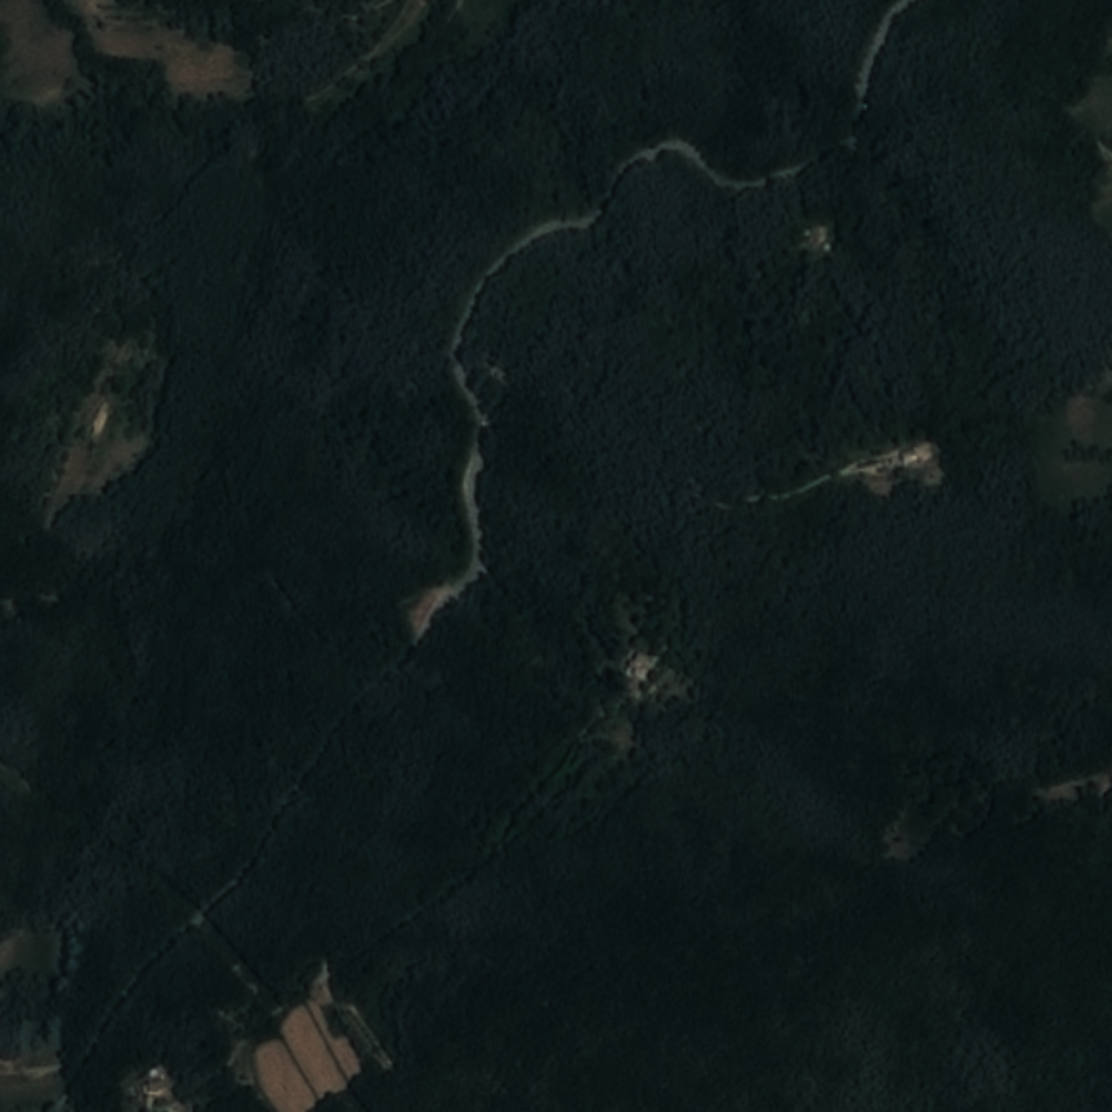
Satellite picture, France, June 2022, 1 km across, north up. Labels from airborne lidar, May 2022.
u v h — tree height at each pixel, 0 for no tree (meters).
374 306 26
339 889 16
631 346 22
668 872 15
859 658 21
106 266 16
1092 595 16
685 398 17
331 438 23
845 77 23
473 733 12
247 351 22
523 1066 11
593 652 19
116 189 19
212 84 0
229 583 17
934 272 26
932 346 18
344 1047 0
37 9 0
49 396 12
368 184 22
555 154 21
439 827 15
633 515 23
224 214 27
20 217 15
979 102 21
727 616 17
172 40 0
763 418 19
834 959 15
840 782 22
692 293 14
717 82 20
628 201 18
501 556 20
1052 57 17
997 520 17
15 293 11
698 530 21
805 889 12
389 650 25
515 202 20
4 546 10
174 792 24
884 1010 16
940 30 17
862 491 14
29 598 22
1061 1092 18
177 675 14
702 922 16
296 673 21
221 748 21
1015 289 22
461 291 18
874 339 30
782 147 24
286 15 21
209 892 17
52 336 19
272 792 20
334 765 14
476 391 25
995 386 19
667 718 16
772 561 21
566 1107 15
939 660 21
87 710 22
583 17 19
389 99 8
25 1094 0
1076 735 19
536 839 14
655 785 16
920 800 19
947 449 9
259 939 17
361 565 16
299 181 21
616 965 15
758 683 23
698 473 20
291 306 23
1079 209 14
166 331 15
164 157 15
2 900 15
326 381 25
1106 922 18
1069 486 0
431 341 18
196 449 23
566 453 22
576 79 19
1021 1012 17
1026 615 19
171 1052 17
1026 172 16
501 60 21
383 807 19
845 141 17
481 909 15
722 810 15
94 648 19
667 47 14
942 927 17
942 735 20
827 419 17
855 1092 17
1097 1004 19
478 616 16
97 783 23
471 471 0
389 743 16
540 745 14
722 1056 15
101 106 19
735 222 28
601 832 14
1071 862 16
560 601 18
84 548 14
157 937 16
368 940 16
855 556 21
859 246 21
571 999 15
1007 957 21
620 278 17
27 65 0
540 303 13
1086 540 17
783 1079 16
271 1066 0
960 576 19
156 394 14
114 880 20
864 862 15
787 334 19
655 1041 16
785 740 20
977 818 8
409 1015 15
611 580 16
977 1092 24
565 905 14
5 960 0
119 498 24
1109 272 21
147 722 18
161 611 16
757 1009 12
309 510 16
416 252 19
